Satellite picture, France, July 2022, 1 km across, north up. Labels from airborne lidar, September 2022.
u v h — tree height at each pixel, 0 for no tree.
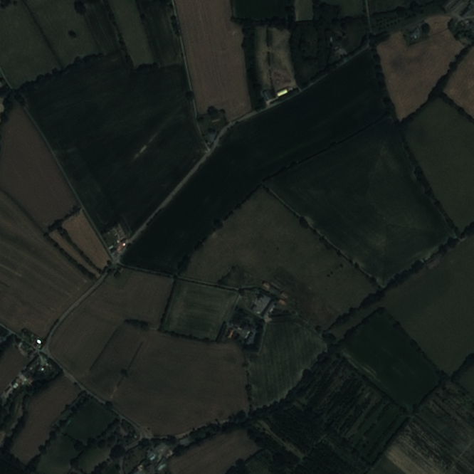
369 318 8
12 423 0
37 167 0
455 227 12
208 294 0
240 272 0
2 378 0
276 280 0
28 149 0
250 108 0
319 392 6
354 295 0
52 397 0
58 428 12
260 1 0
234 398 0
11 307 0
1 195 0
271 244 0
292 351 0
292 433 7
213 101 0
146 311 0
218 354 0
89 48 0
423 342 0
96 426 0
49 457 0
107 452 0
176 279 11
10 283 0
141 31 0
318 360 11
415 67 0
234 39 0
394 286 16
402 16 7
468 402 5
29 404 0
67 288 0
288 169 6
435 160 0
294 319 0
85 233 0
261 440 19
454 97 0
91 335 0
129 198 0
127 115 0
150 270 6
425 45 0
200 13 0
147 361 0
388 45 0
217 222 16
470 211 0
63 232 14
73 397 0
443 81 14
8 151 0
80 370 0
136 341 0
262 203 0
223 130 0
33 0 0
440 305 0
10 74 0
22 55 0
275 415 7
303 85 9
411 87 0
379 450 0
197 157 0
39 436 0
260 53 0
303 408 9
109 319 0
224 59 0
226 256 0
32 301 0
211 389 0
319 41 8
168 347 0
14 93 12
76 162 0
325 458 7
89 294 0
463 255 0
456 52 0
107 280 0
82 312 0
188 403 0
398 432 8
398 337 0
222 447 0
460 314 0
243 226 0
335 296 0
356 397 7
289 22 7
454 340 0
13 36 0
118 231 0
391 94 0
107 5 9
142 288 0
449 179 0
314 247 0
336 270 0
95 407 0
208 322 0
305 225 14
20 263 0
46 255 0
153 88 0
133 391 0
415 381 0
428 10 0
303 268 0
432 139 0
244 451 0
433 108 0
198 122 9
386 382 0
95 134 0
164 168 0
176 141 0
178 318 0
